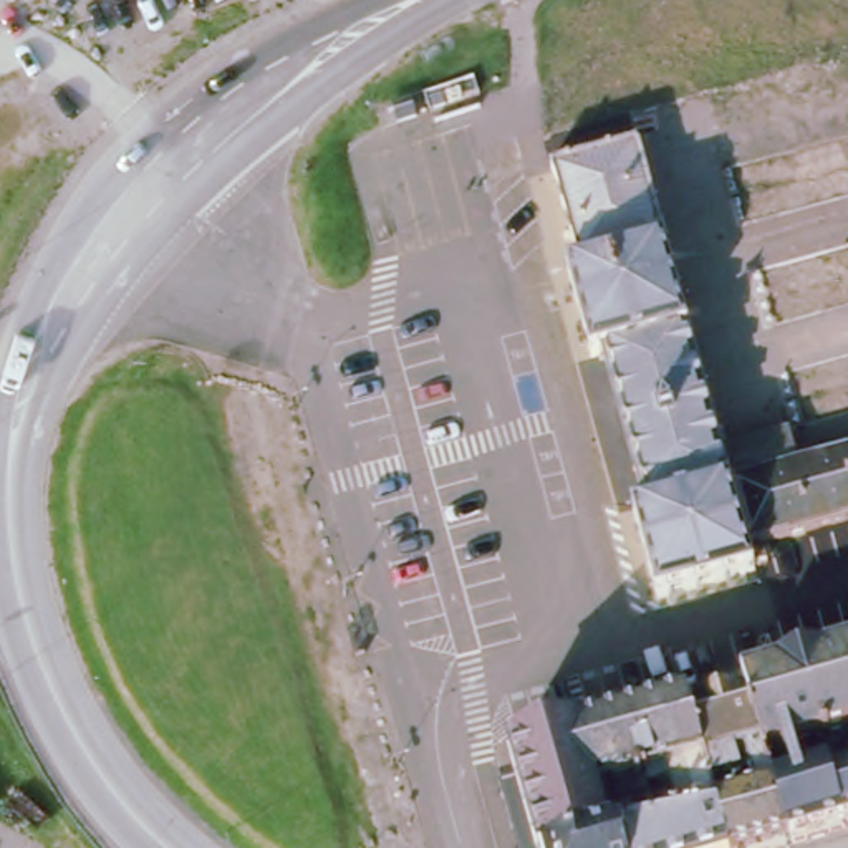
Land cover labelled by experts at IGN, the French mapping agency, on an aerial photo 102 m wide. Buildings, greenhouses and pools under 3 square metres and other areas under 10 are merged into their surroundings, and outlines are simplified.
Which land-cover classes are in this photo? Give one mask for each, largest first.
<instances>
[{"label":"impervious surface","instance_id":"1","mask_svg":"<svg viewBox=\"0 0 848 848\"><path fill-rule=\"evenodd\" d=\"M205 10L199 0H0V172L20 169L33 156H46L56 149H86V159H80V166L63 179V189L56 192L36 232L30 235L27 252L7 288L13 295V311L0 318V679L10 689V702L20 709L23 735L33 739L50 762V772L63 795L60 812L73 815V822L96 841V848H235L186 798H179L156 772L146 769L126 732L109 716L106 699L93 686L83 653L76 646L73 626L66 619L60 576L53 566L50 477L63 417L70 404H76L106 368L119 364L136 351H169L186 364L182 371L202 368L199 388H225V441L232 451L235 477L248 500L252 527L262 537L265 553L285 570L295 606H315V619L301 626V639L311 669L318 672L325 709L351 749L358 778L364 785V808L378 825V841L364 848H533L520 808V792L513 785V769L494 765V732H513V702H520V689L537 686L553 699H590L616 692L623 686L663 682L666 676H676L692 679V699H706L709 676H722L725 669H732L742 653L772 643L792 629H825L835 623H848V520L788 540L772 537V487L775 454L785 441L795 437L798 447H808L848 434V80L841 76L835 60H805L788 70H772L742 80L735 86H709L696 93L689 89L679 103L669 86H656L619 99H603L580 113L570 133L547 136L537 76L533 0H265L255 20H245L239 30L212 40L205 50L192 53L176 73H169L159 63L176 43H182L195 30V17ZM454 27L507 30L510 83L507 89L487 93L477 89L474 73L460 70L454 80L427 86L424 106H414L407 99L384 103L374 129L351 139L348 159L368 222L371 265L354 288H328L325 278L301 255L295 212L285 186L288 169L301 152H315V142L321 129L331 123V116L351 106L368 83L394 76L414 66L417 60H434L444 50L441 36ZM626 129L643 136L649 156L653 182L646 195L653 199L656 225L666 232L672 278L689 308L692 335L686 345L702 358L699 378L709 388L706 404L716 414V437L722 441L725 467L732 470V494L739 497V517L745 523L755 566L739 586L702 593L696 600L672 606H653L649 613H633L629 596L623 590L629 576L619 570V557L606 527V507H616V487L583 378V364L590 358L570 348L563 315L547 305L553 275L547 268L543 229L533 219V182L547 172V166H553L557 149ZM0 848H43L33 838L30 825L0 822Z\"/></svg>","mask_w":848,"mask_h":848},{"label":"herbaceous vegetation","instance_id":"2","mask_svg":"<svg viewBox=\"0 0 848 848\"><path fill-rule=\"evenodd\" d=\"M205 10L195 17V30L182 43H176L159 63L169 73H176L192 53L205 50L212 40L239 30L245 20H255L265 0H199ZM537 76L547 136L570 133L580 113L603 99H619L656 86H669L679 103L689 89L696 93L709 86H735L742 80L772 70H788L805 60H835L841 76L848 80V0H533ZM444 50L434 60H417L414 66L394 76L368 83L351 106L331 116V123L321 129L315 142V152H301L288 169L285 186L295 212L301 255L325 278L328 288H354L371 265L368 222L348 159L351 139L374 129L384 103L407 99L414 106H424L427 86L454 80L460 70L474 73L477 89L487 93L507 89L510 83L507 30L454 27L441 36ZM80 159H86V149H56L46 156H33L20 169L0 172V318L13 311V295L7 288L27 252L30 235L36 232L56 192L63 189V179L80 166ZM186 364L169 351H136L119 364L106 368L76 404H70L63 417L50 477L53 566L60 576L66 619L73 626L76 646L83 653L93 686L106 699L109 716L126 732L146 769L156 772L179 798H186L235 848H364L378 841V825L364 808V785L358 778L351 749L325 709L318 672L311 669L301 639V626L315 619V606H295L285 570L265 553L262 537L252 527L248 500L235 477L232 451L225 441V388H199L202 368L182 371ZM20 709L10 702V689L0 679V822L30 825L33 838L43 848H96V841L73 822V815L60 812L63 795L50 772V762L33 739L23 735Z\"/></svg>","mask_w":848,"mask_h":848},{"label":"building","instance_id":"3","mask_svg":"<svg viewBox=\"0 0 848 848\"><path fill-rule=\"evenodd\" d=\"M653 182L649 156L643 136L626 129L557 149L553 166H547V172L533 182V219L543 229L547 268L553 275L547 305L563 315L570 348L590 358L583 364V378L616 487V507H606V527L619 557V570L629 576L623 590L629 596L633 613H649L653 606H672L696 600L702 593L739 586L755 566L745 523L739 517V497L732 494V470L725 467L722 441L716 437V414L706 404L709 388L699 378L702 358L686 345L692 335L689 308L672 278L666 232L656 225L653 199L646 195ZM772 537L788 540L848 520V434L808 447H798L795 437L785 441L775 454L772 487ZM494 765L513 769V785L520 792V808L533 848H848V623H835L825 629H792L772 643L742 653L732 669H725L722 676H709L706 699H692V679L676 676H666L663 682L623 686L616 692L590 699H553L537 686L520 689V702H513V732H494Z\"/></svg>","mask_w":848,"mask_h":848}]
</instances>
